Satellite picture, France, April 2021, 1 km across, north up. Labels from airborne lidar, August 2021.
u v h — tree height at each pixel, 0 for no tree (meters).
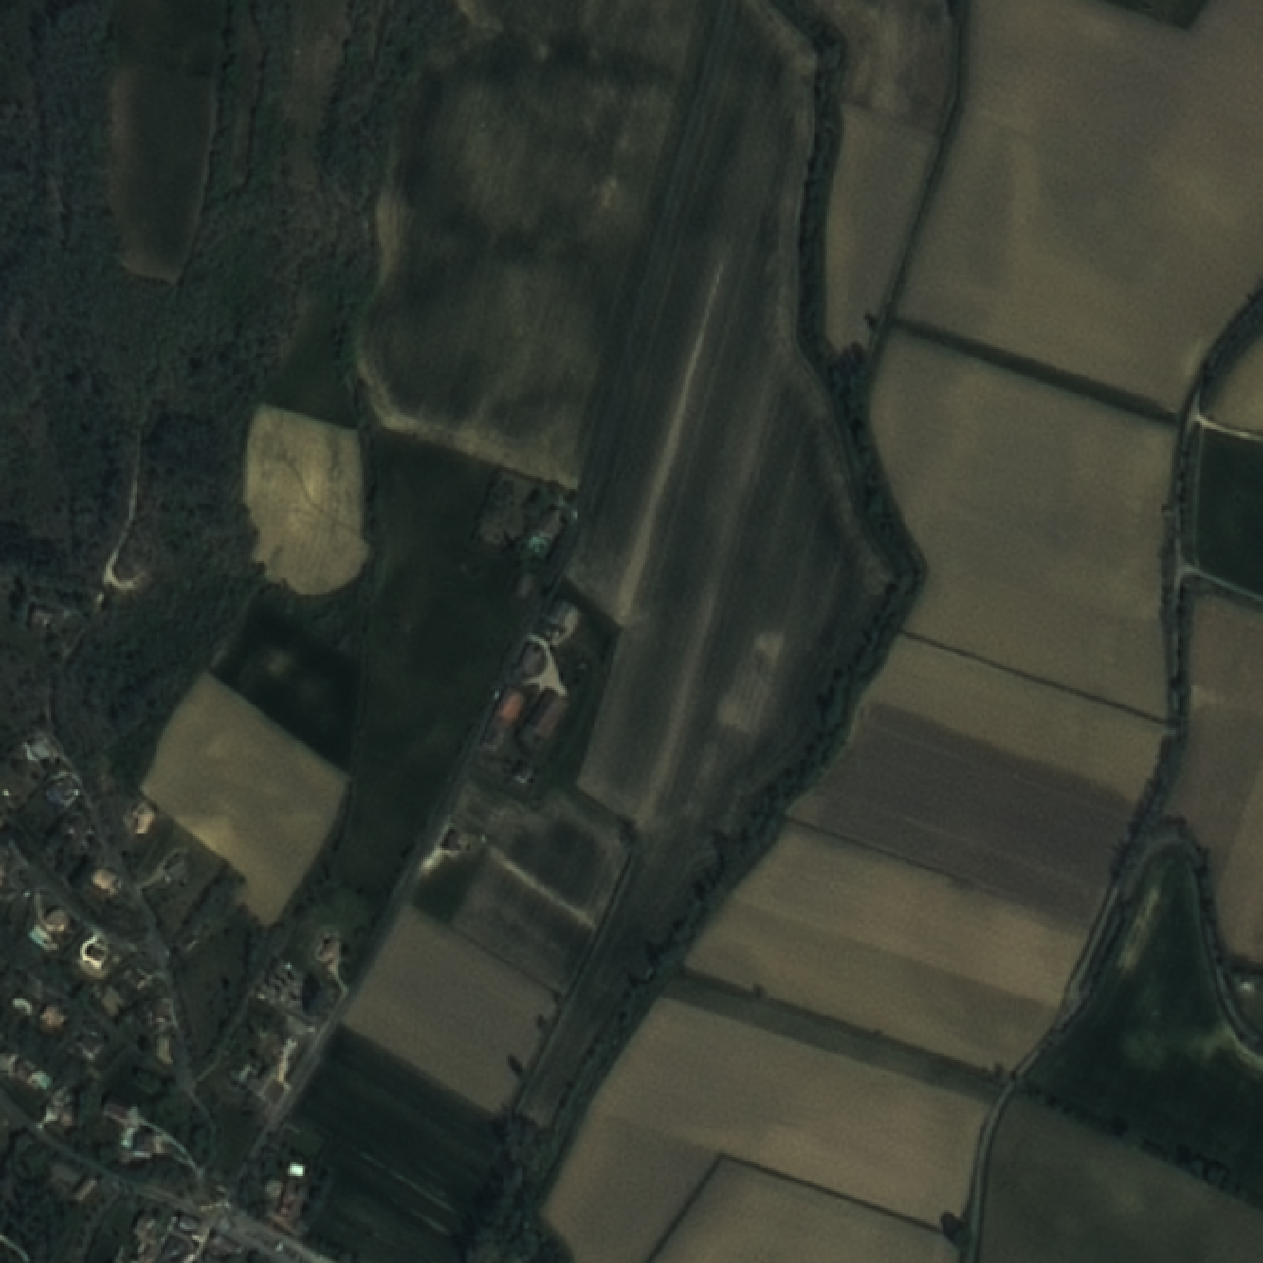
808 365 0
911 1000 0
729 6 0
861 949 0
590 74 0
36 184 16
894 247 0
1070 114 0
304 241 16
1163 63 0
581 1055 0
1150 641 0
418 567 0
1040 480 0
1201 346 0
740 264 0
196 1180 19
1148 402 0
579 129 0
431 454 0
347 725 0
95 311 15
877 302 0
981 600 0
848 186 0
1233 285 0
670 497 0
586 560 0
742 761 0
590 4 0
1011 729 0
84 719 13
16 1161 14
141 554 9
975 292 0
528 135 0
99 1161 11
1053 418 0
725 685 0
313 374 0
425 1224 0
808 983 0
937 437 0
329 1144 0
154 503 8
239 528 16
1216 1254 0
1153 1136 0
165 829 0
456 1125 0
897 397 0
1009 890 0
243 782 0
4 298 19
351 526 0
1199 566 0
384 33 8
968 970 0
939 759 0
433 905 0
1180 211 0
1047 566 0
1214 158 0
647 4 0
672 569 0
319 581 0
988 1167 0
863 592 0
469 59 0
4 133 14
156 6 0
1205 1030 0
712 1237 0
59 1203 15
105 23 12
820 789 0
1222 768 0
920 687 0
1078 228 0
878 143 0
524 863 0
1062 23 0
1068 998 0
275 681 0
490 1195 0
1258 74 0
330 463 0
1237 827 0
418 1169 0
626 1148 0
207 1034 0
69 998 10
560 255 0
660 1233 0
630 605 0
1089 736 0
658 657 0
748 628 0
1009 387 0
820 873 0
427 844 0
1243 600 0
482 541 9
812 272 9
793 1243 0
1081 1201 0
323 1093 0
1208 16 0
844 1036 0
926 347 0
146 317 14
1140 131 0
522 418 0
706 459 0
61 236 16
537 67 0
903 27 0
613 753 0
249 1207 8
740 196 0
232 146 8
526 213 0
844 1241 0
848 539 0
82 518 11
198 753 0
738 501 0
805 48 0
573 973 0
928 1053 0
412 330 0
